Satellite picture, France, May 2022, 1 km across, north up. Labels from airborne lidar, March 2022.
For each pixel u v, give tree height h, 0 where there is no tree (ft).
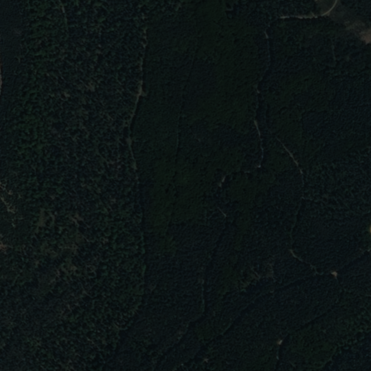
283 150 62
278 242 74
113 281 102
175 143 47
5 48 42
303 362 56
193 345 91
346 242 108
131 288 101
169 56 54
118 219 92
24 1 31
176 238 91
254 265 101
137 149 39
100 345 112
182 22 51
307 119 53
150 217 77
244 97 76
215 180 102
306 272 89
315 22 61
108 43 99
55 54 85
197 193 72
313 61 75
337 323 48
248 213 81
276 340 59
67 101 19
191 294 94
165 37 48
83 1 106
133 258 95
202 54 63
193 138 54
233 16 69
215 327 82
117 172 106
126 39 37
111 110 63
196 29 48
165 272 78
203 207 79
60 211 99
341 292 76
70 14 21
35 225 25
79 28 40
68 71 85
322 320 62
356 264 72
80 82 127
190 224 77
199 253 102
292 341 70
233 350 70
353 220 65
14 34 52
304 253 102
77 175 96
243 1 46
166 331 90
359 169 36
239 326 82
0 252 22
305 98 69
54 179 99
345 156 21
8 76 35
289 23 41
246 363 59
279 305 103
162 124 50
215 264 110
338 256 101
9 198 28
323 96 67
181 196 89
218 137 59
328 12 0
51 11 70
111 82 95
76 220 0
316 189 51
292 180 70
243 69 77
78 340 94
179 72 69
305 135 78
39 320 98
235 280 81
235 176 81
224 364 90
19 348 112
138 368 126
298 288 96
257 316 91
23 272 22
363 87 52
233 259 75
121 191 106
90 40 32
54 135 96
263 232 84
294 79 67
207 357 96
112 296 103
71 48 77
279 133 62
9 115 35
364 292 55
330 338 68
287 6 85
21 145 77
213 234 100
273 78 66
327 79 65
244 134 64
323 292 95
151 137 45
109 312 25
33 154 72
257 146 83
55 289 95
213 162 87
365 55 59
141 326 88
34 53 77
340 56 47
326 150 61
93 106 19
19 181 29
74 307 115
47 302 116
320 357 45
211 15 60
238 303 92
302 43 24
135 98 27
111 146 34
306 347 69
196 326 87
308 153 56
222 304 98
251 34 69
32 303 100
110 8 86
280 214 84
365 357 33
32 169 79
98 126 30
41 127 90
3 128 44
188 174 82
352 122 62
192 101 80
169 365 90
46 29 81
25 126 79
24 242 28
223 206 105
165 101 53
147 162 37
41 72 73
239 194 82
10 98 41
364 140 51
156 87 63
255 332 78
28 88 67
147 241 90
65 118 114
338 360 101
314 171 28
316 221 78
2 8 53
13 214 21
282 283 80
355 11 28
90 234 90
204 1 74
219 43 51
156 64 64
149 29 51
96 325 104
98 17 91
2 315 99
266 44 84
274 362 49
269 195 98
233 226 99
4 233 26
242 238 87
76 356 103
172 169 78
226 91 72
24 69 43
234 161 83
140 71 49
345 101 69
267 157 61
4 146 47
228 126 48
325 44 37
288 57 90
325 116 53
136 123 48
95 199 106
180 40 55
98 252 96
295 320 69
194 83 78
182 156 51
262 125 76
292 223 66
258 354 67
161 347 102
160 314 111
